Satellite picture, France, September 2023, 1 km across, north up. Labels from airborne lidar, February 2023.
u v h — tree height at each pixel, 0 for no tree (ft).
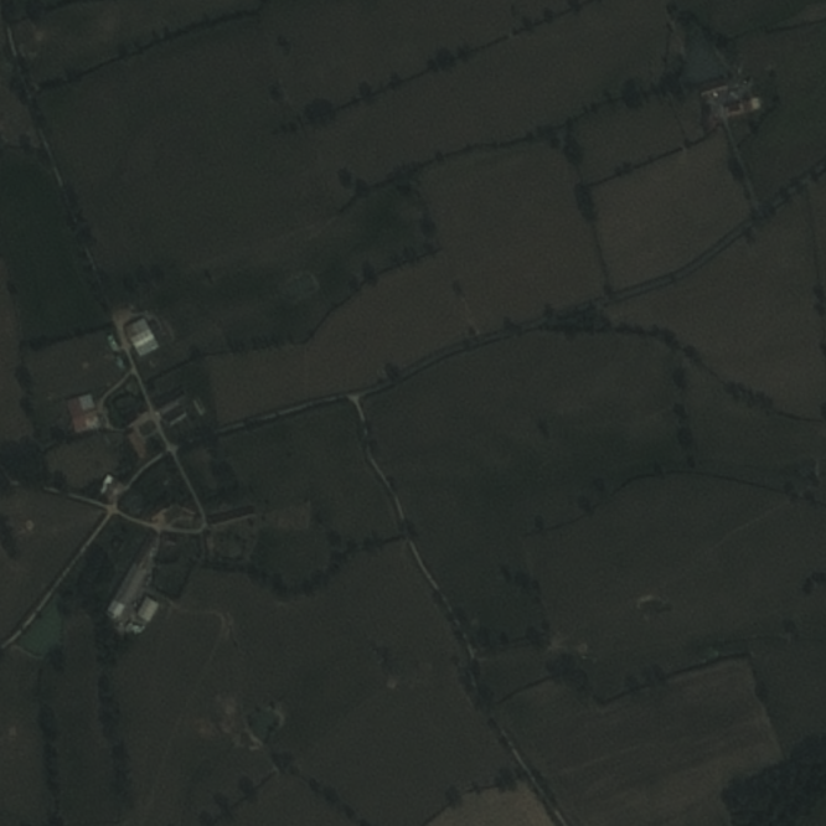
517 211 0
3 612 0
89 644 0
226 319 0
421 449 0
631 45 0
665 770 0
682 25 43
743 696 0
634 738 0
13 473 67
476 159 0
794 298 0
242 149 0
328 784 0
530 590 59
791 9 0
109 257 0
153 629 0
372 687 0
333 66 0
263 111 0
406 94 0
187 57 0
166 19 0
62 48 0
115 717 42
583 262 0
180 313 0
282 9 0
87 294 0
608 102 42
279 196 0
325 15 0
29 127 0
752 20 0
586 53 0
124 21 0
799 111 0
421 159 0
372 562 0
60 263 0
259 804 0
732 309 0
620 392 0
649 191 0
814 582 21
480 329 0
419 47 0
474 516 0
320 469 0
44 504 0
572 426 0
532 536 0
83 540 0
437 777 0
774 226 0
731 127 0
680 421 46
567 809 0
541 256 0
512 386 0
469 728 0
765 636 0
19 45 0
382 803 0
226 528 0
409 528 48
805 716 0
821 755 60
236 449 0
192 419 26
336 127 0
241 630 0
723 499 0
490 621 0
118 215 0
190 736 0
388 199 0
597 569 0
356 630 0
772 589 0
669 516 0
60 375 0
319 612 0
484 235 0
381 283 0
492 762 0
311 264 0
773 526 0
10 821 0
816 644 0
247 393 0
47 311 0
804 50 0
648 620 0
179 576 0
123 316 0
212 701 0
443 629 0
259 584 56
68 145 0
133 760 0
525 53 0
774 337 0
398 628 0
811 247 0
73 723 0
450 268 0
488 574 0
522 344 0
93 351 0
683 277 0
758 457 0
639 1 0
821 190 0
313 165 0
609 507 0
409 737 0
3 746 0
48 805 0
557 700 0
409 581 0
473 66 0
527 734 0
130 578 0
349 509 0
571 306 0
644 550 0
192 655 0
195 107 0
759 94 0
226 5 0
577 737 0
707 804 0
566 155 36
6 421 0
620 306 0
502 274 0
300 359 0
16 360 0
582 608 0
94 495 24
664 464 0
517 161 0
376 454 40
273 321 0
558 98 0
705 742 0
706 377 0
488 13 0
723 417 0
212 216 0
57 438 49
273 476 0
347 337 0
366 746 0
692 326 0
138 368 0
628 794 0
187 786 0
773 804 21
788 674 0
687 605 0
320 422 0
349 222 0
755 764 0
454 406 0
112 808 0
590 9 0
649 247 0
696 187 0
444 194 0
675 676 0
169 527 0
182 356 0
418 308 0
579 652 0
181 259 0
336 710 0
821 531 0
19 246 0
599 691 0
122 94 0
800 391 0
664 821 0
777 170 0
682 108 0
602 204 0
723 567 0
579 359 0
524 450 0
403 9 0
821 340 0
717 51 32
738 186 0
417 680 41
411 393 0
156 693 0
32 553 0
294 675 0
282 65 0
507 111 0
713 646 0
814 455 0
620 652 0
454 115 0
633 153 0
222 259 0
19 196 0
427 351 0
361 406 0
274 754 0
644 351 0
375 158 0
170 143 0
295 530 0
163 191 0
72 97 0
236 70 0
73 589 0
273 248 0
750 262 0
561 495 0
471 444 0
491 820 0
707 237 0
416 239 0
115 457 0
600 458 0
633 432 0
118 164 0
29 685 0
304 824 0
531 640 54
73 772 0
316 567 0
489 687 0
